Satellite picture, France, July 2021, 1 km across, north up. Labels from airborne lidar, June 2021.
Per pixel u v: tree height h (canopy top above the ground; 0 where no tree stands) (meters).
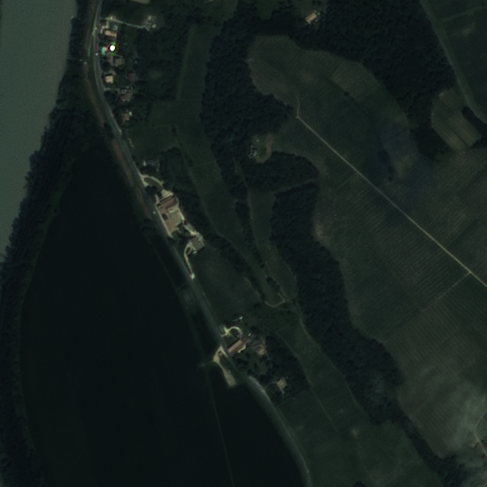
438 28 0
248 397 0
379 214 0
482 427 0
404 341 0
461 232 0
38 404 0
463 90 0
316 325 18
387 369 11
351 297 0
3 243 0
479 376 0
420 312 0
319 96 0
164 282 0
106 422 0
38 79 0
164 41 11
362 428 0
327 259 22
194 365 0
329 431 0
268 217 0
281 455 0
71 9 0
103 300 0
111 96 17
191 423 0
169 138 0
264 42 0
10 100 0
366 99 0
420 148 10
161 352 0
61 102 13
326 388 0
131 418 0
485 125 17
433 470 15
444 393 0
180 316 0
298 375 14
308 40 19
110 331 0
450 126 0
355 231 0
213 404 0
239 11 9
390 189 0
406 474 0
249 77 14
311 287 25
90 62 0
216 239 11
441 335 0
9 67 0
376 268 0
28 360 0
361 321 0
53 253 0
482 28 0
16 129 0
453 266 0
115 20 0
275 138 0
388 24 11
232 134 25
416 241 0
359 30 17
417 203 0
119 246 0
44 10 0
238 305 0
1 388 27
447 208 0
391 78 16
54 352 0
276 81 0
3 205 0
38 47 0
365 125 0
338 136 0
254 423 0
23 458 32
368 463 0
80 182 0
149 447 0
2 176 0
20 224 26
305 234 22
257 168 14
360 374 25
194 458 0
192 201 9
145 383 0
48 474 0
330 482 0
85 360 0
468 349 0
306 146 0
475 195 0
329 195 0
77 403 0
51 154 28
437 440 0
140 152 0
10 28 0
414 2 16
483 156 0
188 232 10
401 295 0
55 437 0
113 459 0
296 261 24
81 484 0
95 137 16
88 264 0
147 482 0
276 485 0
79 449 0
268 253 0
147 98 12
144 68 7
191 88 0
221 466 0
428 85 14
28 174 0
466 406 0
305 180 16
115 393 0
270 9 0
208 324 0
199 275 0
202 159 0
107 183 0
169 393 0
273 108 20
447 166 0
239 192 25
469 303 0
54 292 0
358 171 0
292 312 8
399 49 13
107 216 0
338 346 19
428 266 0
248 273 17
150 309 0
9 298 24
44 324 0
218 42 18
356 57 16
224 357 0
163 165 8
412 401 0
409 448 0
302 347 0
